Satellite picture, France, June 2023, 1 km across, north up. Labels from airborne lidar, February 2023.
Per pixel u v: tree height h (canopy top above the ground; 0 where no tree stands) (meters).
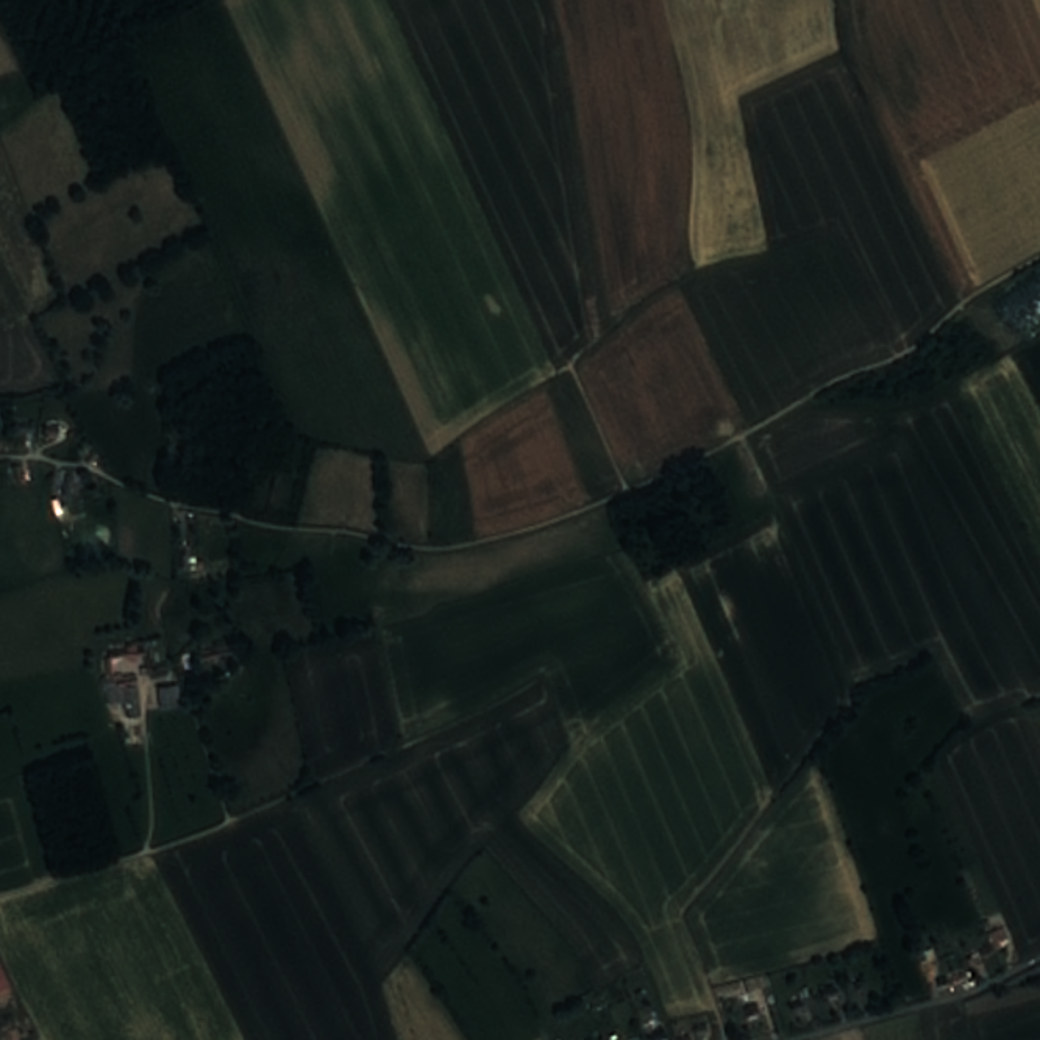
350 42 0
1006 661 0
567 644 0
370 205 0
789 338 0
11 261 0
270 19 0
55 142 0
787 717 0
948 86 0
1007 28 0
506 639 0
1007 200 0
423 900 0
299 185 0
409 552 6
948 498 0
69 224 0
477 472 0
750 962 0
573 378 0
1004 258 0
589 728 0
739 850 0
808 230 0
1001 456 0
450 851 0
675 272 0
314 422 0
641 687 0
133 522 0
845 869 0
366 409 0
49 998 0
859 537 0
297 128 0
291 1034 0
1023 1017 0
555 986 0
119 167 20
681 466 20
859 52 0
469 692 0
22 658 0
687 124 0
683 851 0
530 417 0
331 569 0
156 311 0
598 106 0
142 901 0
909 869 0
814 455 0
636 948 0
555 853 0
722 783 0
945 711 0
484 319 0
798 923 0
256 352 16
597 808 0
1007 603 0
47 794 17
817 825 0
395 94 0
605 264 0
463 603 0
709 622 0
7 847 0
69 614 0
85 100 17
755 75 0
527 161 0
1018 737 0
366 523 0
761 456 0
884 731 0
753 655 0
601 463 0
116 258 0
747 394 0
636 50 0
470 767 0
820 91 0
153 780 0
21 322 0
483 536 0
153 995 0
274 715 0
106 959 0
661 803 0
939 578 0
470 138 0
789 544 0
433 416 0
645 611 0
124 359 0
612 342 0
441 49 0
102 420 0
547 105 0
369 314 0
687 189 0
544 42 0
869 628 0
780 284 0
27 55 6
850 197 0
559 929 0
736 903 0
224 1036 0
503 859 0
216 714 0
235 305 0
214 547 0
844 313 0
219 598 17
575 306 0
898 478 0
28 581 0
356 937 0
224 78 0
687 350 0
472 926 15
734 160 0
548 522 0
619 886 0
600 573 0
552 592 0
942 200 0
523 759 0
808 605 0
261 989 0
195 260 0
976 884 0
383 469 13
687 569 0
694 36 0
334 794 0
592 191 0
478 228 0
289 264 0
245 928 0
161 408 14
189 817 0
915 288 0
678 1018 0
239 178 0
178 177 16
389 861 0
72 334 0
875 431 0
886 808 0
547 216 0
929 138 0
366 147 0
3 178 0
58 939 0
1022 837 0
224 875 0
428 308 0
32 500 0
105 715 0
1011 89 0
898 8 0
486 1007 0
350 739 0
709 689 0
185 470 16
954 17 0
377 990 0
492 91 0
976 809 0
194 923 0
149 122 20
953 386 0
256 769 0
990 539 0
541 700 0
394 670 0
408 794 0
